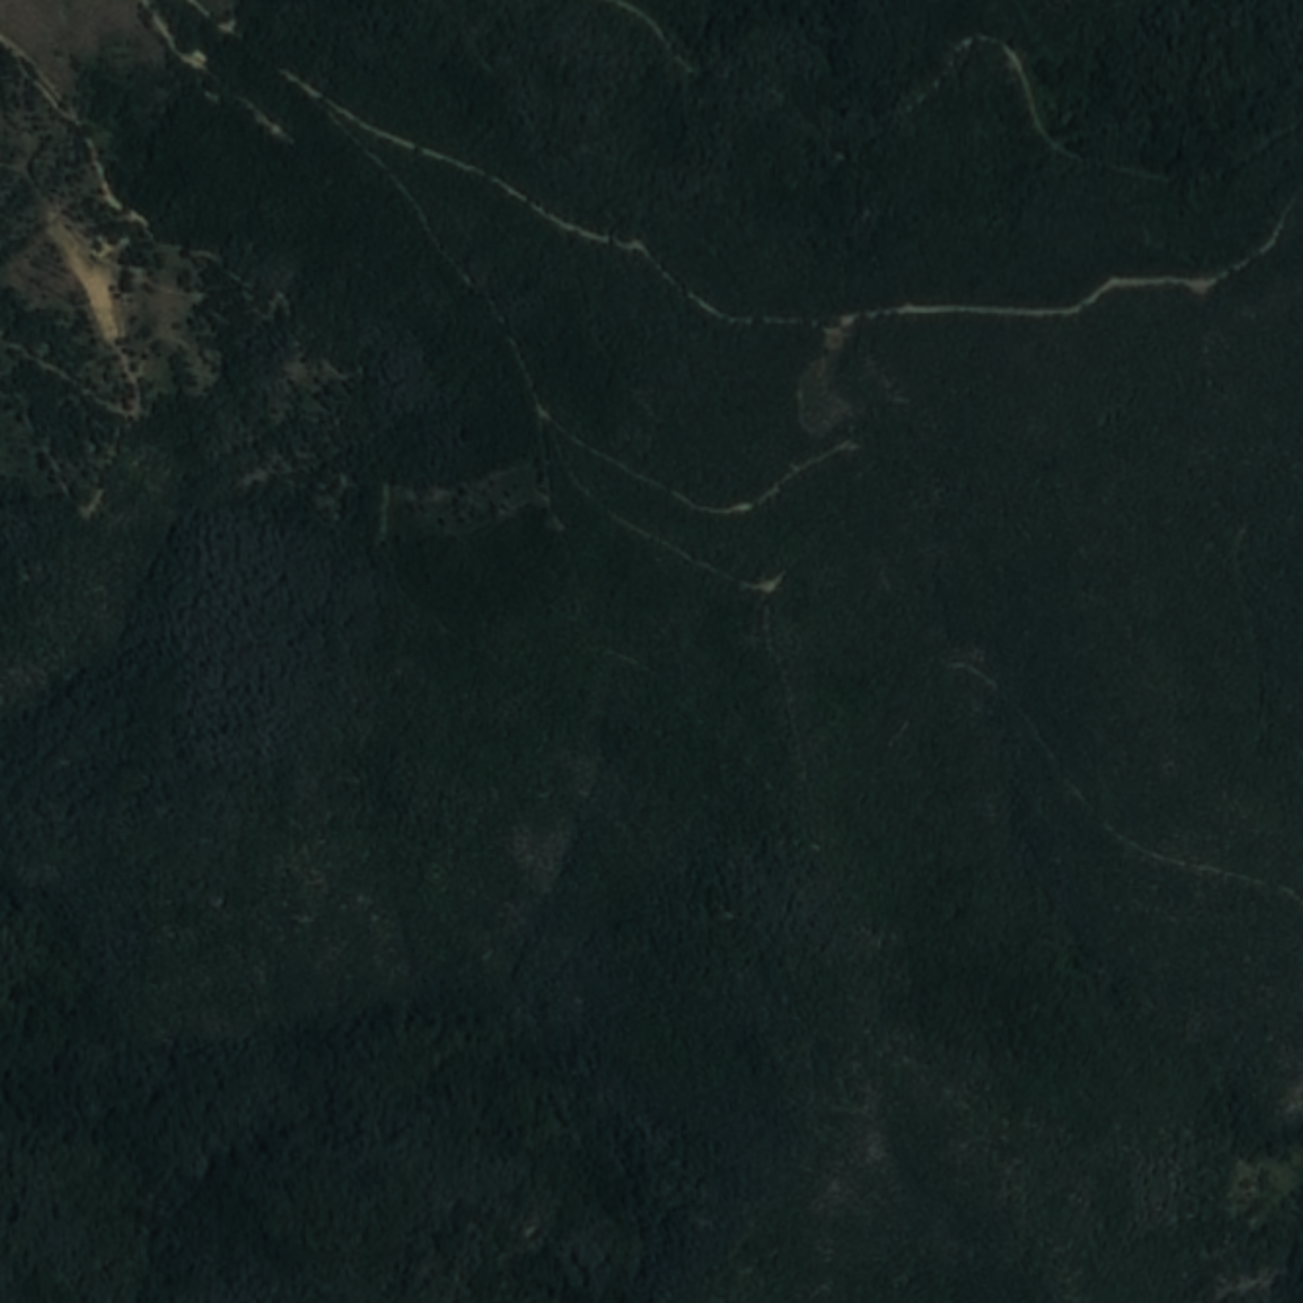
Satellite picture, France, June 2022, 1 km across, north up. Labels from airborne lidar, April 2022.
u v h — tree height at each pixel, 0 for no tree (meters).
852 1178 6
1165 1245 10
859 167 10
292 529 13
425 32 6
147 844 11
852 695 9
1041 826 6
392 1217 13
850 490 6
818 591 6
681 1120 10
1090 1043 12
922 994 12
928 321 6
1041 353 6
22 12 0
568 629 9
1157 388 7
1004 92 8
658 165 10
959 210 11
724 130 13
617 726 8
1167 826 6
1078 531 5
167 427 10
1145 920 7
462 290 9
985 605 9
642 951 7
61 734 10
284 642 11
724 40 13
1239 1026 6
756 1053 12
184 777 10
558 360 9
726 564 6
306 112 8
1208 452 6
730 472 7
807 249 10
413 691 8
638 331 7
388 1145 12
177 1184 10
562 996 6
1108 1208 8
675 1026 10
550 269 9
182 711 11
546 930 7
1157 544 8
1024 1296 7
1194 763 6
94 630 6
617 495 5
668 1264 8
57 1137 14
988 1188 7
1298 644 7
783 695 8
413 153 7
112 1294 13
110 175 9
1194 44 19
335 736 10
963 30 10
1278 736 9
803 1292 8
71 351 8
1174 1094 7
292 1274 16
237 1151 15
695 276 8
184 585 9
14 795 10
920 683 7
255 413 12
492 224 7
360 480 14
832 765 7
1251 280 5
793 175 12
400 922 6
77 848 9
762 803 9
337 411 9
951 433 6
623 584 7
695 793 11
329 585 12
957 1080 8
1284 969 6
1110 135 9
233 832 8
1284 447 6
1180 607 6
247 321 12
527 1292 13
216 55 10
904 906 11
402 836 10
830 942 9
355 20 11
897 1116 6
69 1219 14
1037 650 6
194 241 8
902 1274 10
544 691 9
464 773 10
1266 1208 6
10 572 9
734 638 6
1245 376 8
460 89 11
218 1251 18
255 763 10
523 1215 14
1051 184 9
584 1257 20
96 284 0
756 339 7
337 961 6
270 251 9
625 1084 9
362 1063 17
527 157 7
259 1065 8
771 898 11
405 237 8
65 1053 11
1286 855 6
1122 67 14
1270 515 6
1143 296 7
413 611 9
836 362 0
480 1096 7
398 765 11
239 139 9
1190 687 8
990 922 9
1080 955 10
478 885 8
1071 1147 8
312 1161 15
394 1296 17
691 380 7
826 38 14
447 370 10
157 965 7
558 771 7
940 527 6
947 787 10
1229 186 6
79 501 12
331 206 9
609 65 9
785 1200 6
